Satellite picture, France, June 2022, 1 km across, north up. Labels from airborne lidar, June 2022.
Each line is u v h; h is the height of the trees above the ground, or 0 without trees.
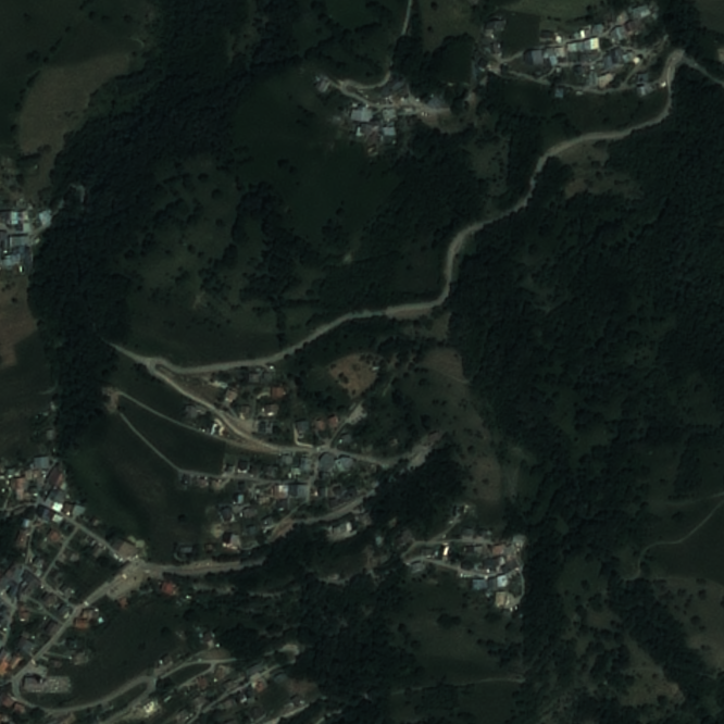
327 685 20
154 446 0
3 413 0
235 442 0
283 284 14
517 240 15
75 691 0
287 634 14
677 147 24
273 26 13
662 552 0
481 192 9
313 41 0
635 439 9
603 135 0
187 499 0
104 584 0
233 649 21
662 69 13
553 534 14
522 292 18
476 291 34
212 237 0
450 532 0
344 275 11
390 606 16
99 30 0
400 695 0
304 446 0
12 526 25
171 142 19
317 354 0
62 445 15
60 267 28
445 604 0
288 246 16
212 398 0
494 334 19
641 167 11
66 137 10
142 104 21
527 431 20
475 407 6
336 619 21
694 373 8
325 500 7
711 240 21
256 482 0
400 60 18
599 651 14
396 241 12
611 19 0
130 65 0
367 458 0
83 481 0
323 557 18
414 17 13
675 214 30
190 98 20
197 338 0
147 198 19
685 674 14
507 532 10
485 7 5
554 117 10
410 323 9
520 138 23
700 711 13
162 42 9
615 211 10
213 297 11
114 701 0
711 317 27
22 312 0
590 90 0
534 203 16
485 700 0
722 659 0
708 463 0
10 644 0
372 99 0
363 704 18
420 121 6
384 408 7
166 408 0
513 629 12
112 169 16
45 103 0
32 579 0
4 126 0
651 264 29
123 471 0
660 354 11
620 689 8
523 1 0
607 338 13
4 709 6
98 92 9
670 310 16
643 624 24
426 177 25
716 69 15
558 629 15
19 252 0
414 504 26
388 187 0
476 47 6
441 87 14
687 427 13
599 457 18
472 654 0
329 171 0
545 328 11
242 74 11
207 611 12
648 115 0
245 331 0
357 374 0
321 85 0
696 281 21
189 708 6
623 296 22
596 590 0
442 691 14
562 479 20
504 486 0
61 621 0
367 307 16
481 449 0
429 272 0
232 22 14
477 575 0
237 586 13
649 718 8
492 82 18
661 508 0
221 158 16
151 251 17
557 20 7
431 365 0
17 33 0
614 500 18
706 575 0
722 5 0
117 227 15
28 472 0
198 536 0
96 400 17
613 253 27
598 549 24
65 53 0
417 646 12
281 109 0
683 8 13
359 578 17
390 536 9
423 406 0
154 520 0
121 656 0
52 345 15
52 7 0
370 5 14
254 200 22
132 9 0
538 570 25
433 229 20
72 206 25
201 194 0
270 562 17
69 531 7
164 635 13
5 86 0
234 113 19
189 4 18
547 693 6
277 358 0
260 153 0
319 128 0
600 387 17
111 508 0
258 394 6
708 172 17
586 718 14
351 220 0
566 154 0
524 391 21
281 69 19
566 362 12
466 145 18
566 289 13
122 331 17
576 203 16
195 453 0
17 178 9
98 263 17
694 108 20
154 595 6
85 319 19
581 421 23
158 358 0
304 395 13
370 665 29
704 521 0
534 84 0
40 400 0
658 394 17
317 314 8
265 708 0
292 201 0
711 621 0
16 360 0
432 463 23
